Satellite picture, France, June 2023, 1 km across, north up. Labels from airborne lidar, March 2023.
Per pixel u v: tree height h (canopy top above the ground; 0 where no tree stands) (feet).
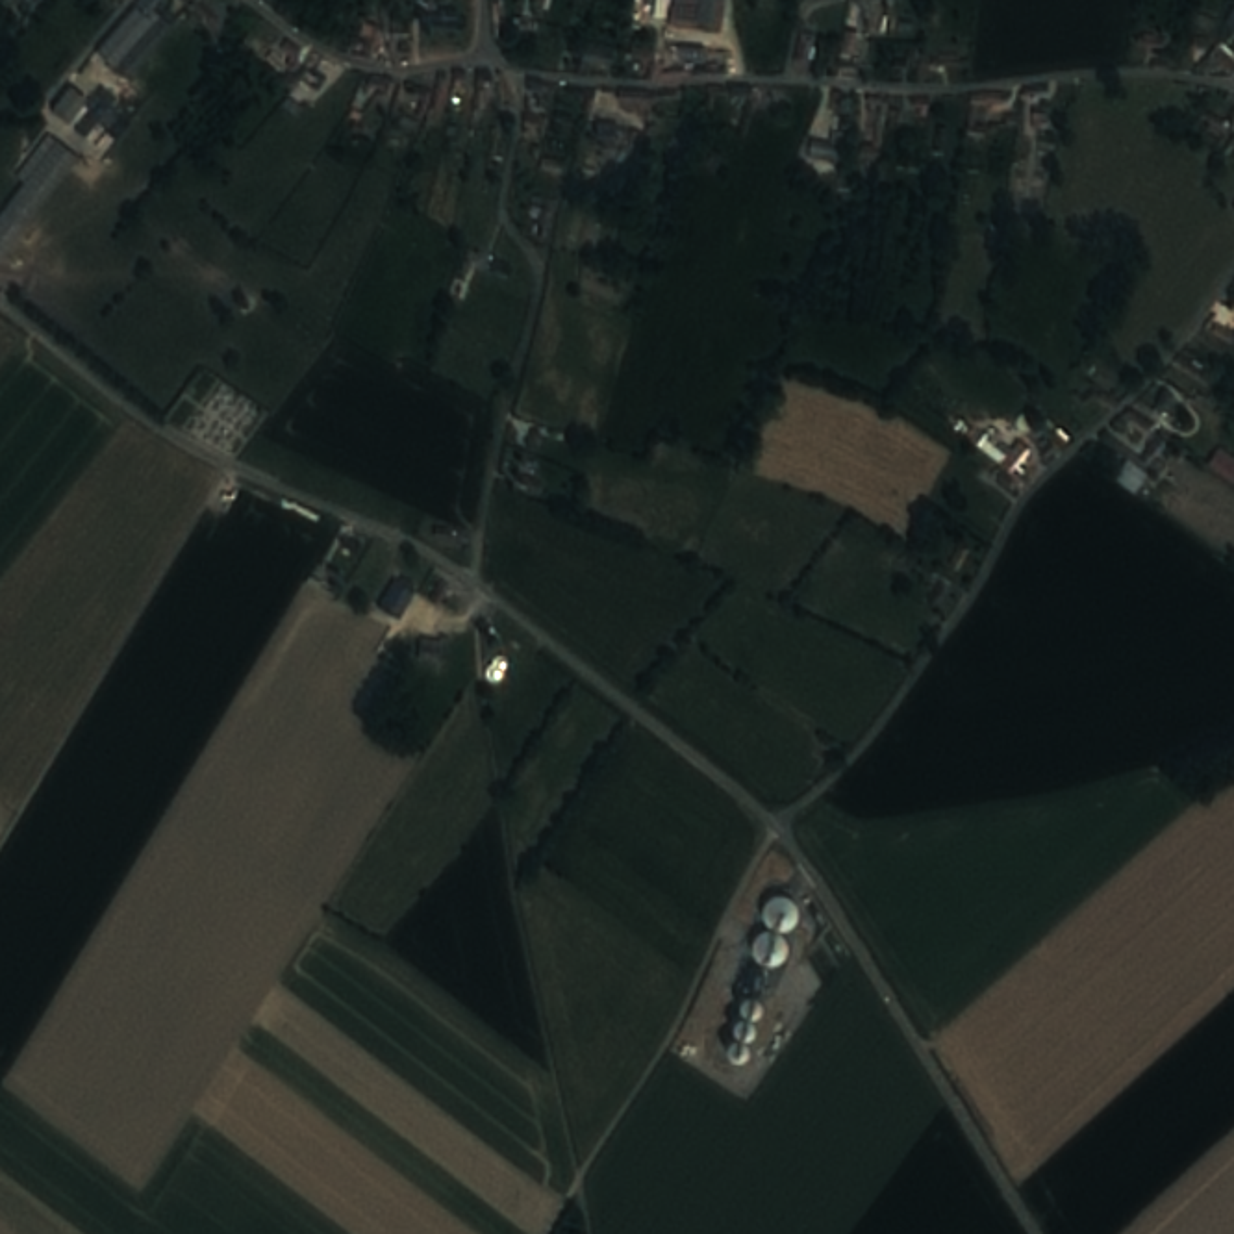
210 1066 0
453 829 0
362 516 0
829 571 0
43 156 0
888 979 0
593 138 33
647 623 0
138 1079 0
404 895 0
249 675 0
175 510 0
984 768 0
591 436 71
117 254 0
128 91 0
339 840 0
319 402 0
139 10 0
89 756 0
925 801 0
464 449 0
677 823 0
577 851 0
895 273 39
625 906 0
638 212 98
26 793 0
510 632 0
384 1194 0
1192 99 20
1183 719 0
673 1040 0
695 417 0
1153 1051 0
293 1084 0
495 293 0
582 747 0
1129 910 0
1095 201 0
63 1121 0
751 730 0
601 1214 0
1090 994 0
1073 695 0
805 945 0
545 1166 0
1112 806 0
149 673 0
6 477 0
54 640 0
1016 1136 0
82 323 0
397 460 0
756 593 0
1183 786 45
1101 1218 0
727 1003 0
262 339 0
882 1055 0
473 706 0
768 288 53
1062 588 0
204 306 0
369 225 0
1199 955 0
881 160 20
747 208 0
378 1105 0
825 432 0
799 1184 0
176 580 0
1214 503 0
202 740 0
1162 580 0
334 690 0
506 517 0
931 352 32
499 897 0
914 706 0
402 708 52
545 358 0
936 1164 0
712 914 0
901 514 0
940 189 78
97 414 0
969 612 0
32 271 0
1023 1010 0
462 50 0
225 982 0
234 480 0
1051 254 0
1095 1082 0
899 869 0
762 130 0
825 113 0
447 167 0
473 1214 0
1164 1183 0
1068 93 0
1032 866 0
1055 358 0
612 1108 0
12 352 0
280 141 0
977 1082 0
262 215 0
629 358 0
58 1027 0
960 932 0
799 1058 0
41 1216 0
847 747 18
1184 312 0
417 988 0
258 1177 0
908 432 0
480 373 0
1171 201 0
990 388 0
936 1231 0
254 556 0
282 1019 0
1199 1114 0
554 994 0
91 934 0
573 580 0
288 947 0
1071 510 0
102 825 0
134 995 0
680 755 0
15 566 0
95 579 0
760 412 50
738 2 0
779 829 0
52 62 0
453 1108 0
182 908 0
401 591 0
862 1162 0
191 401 0
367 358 0
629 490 0
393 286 0
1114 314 80
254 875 0
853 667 0
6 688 0
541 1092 0
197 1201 0
